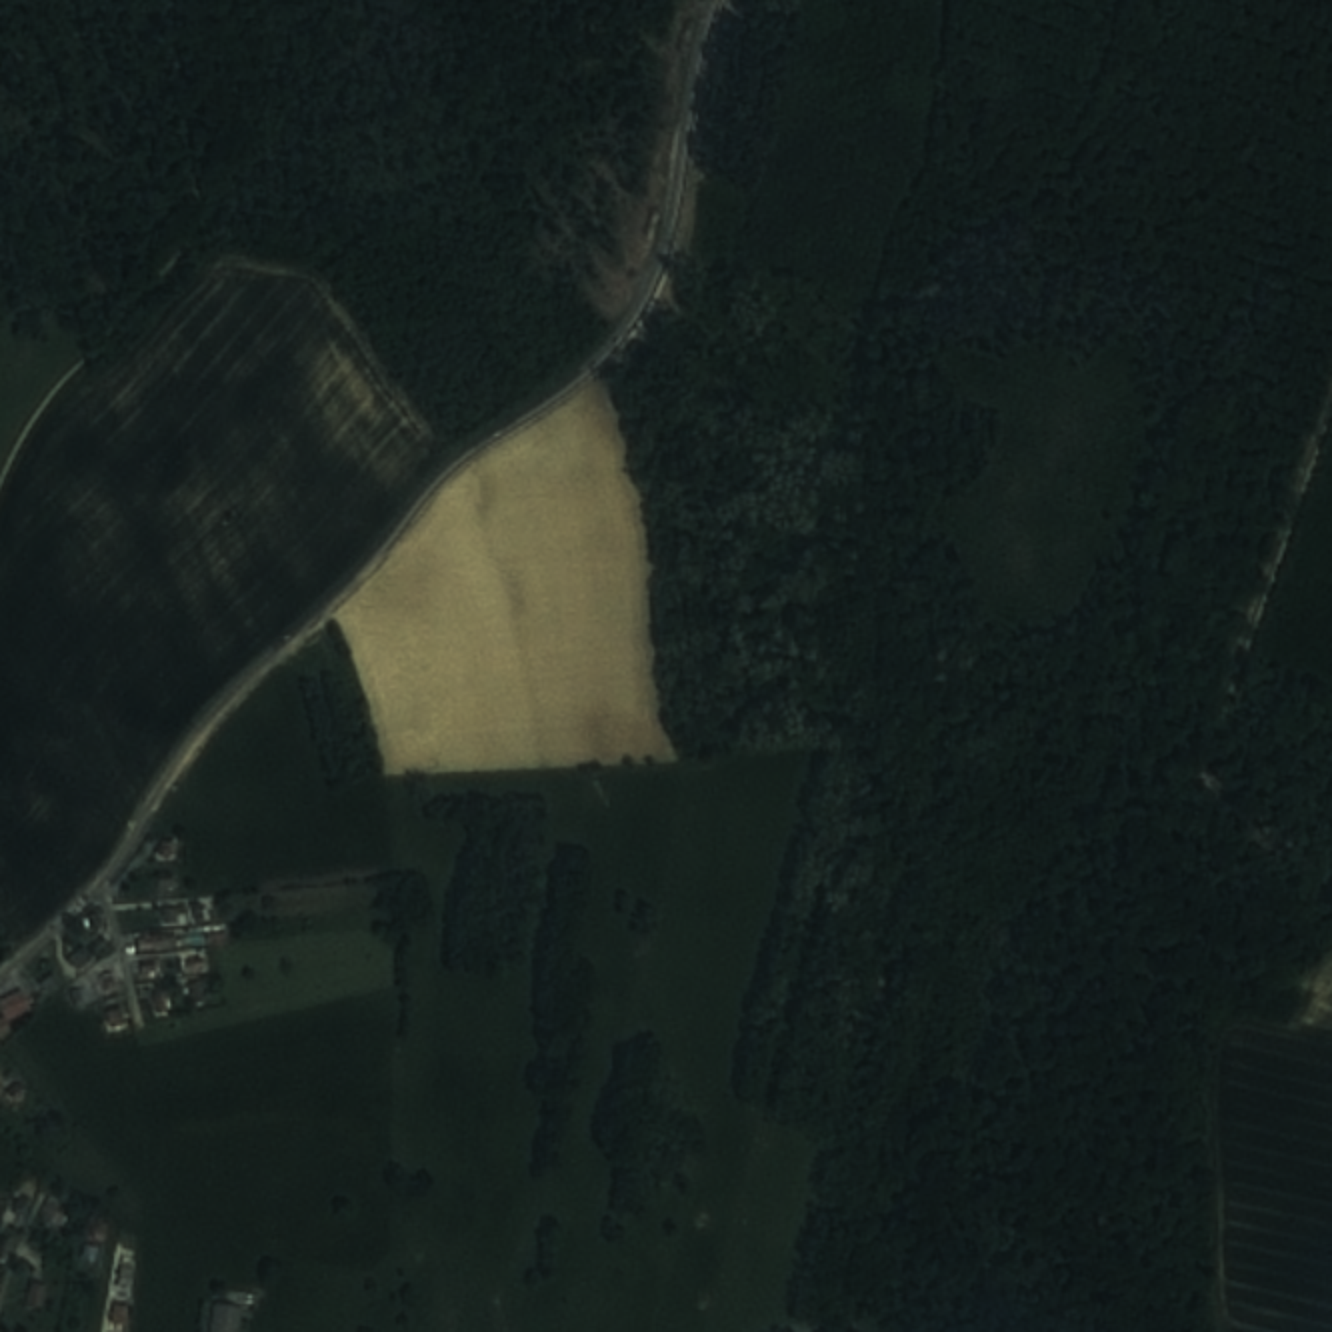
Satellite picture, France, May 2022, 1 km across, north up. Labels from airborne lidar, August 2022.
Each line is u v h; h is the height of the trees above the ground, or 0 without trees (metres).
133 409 0
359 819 0
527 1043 0
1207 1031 15
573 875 25
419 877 12
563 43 25
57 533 0
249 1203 0
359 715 7
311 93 17
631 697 0
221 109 21
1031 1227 24
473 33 20
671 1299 0
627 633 0
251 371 0
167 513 0
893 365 25
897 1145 23
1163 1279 21
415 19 19
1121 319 11
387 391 0
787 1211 0
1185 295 12
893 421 28
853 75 7
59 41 26
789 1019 27
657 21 23
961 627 29
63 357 0
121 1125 0
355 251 19
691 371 24
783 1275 0
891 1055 29
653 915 14
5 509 0
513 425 0
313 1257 0
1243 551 26
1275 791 16
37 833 0
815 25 16
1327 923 25
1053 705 17
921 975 25
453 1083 0
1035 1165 27
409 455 0
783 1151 0
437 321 22
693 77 0
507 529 0
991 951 7
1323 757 13
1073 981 29
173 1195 0
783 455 33
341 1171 0
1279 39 22
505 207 14
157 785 0
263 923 10
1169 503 25
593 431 0
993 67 21
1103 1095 21
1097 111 25
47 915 0
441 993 0
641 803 0
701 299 7
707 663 32
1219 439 25
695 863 0
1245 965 29
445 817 18
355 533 0
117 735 0
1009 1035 22
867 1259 28
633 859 0
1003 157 25
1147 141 27
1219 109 23
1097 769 17
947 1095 25
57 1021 0
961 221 17
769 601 31
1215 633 23
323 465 0
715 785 0
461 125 22
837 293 8
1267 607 7
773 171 12
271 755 0
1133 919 28
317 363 0
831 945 30
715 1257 0
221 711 0
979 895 19
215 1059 0
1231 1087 0
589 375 0
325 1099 0
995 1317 20
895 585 19
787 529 27
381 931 10
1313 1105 0
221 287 0
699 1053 0
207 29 28
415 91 21
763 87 25
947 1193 27
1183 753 26
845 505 28
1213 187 22
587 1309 0
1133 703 24
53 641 0
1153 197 28
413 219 20
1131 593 12
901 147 13
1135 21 24
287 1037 0
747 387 7
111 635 0
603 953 0
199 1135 0
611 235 18
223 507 0
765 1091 11
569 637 0
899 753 24
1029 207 26
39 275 27
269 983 0
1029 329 19
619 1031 0
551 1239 16
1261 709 15
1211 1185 26
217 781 0
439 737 0
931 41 7
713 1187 0
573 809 0
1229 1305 0
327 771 9
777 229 13
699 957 0
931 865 29
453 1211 0
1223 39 20
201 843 0
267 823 0
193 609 0
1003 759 25
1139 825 24
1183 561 26
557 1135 18
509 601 0
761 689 22
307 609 0
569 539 0
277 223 20
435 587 0
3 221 26
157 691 0
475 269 14
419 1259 0
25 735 0
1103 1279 23
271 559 0
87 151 14
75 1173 0
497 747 0
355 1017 0
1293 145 20
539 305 14
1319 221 18
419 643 0
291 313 0
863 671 21
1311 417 15
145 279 18
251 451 0
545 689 0
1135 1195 25
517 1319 0
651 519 17
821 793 25
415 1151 0
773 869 0
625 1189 16
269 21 23
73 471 0
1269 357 15
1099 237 11
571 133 9
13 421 0
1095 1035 30
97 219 19
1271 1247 0
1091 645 27
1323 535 8
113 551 0
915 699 27
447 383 23
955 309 26
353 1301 0
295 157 24
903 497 26
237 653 0
